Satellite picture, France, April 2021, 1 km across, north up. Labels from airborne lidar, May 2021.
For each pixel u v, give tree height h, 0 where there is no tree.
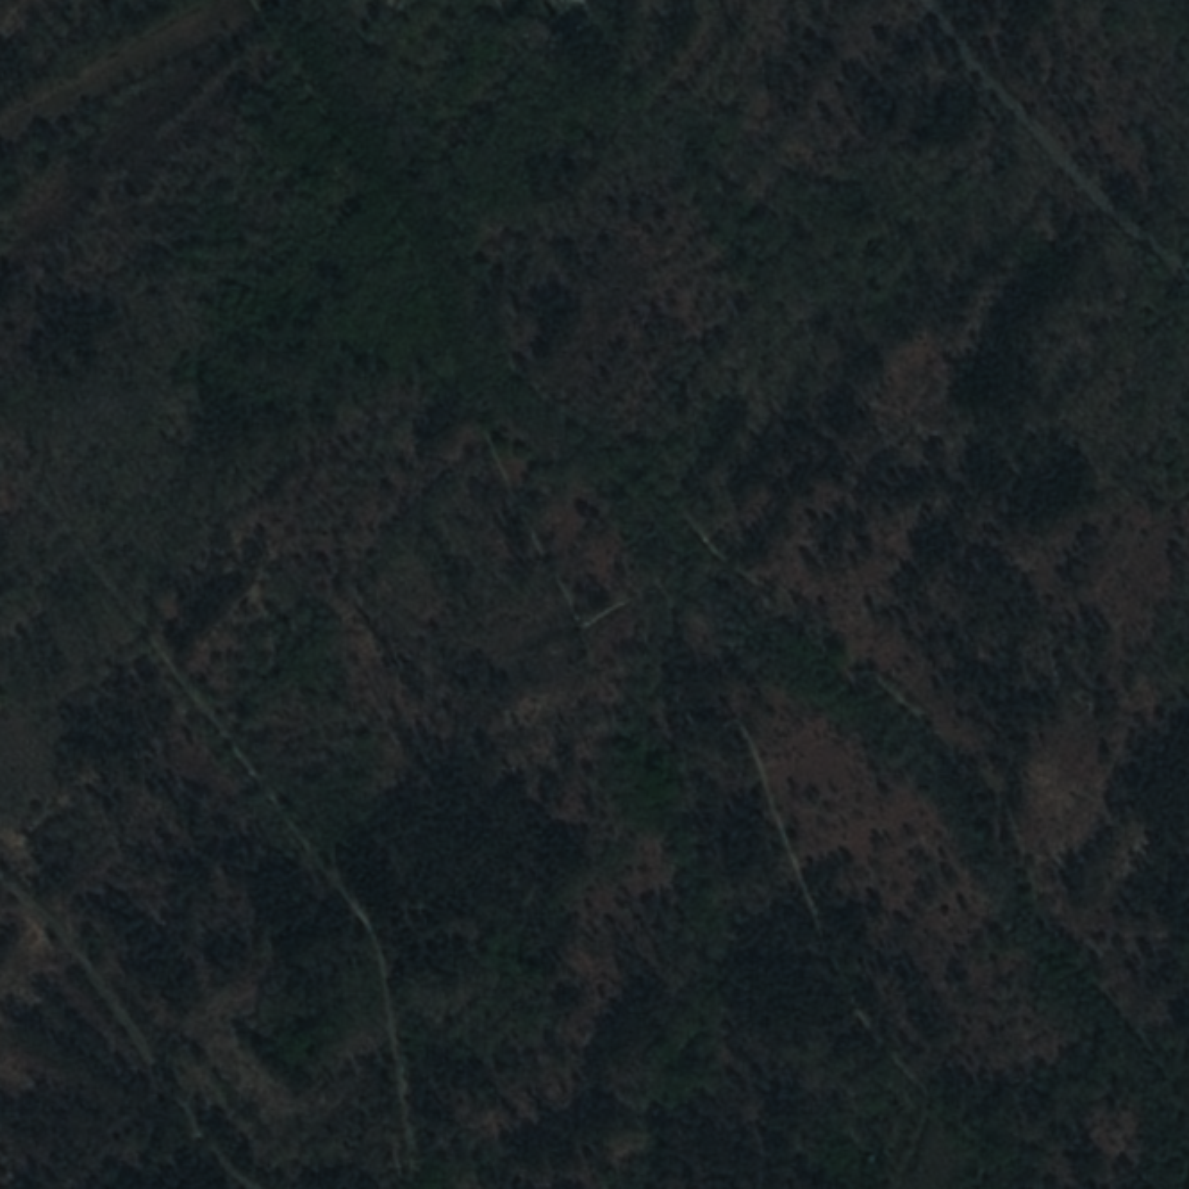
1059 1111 18
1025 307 13
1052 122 13
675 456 15
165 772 24
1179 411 16
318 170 13
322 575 10
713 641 11
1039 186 13
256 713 14
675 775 11
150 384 19
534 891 15
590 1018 6
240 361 17
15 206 19
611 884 6
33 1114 12
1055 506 19
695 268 9
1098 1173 17
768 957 13
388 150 18
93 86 0
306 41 18
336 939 13
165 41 0
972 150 11
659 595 14
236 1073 0
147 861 16
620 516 18
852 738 11
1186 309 18
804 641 24
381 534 10
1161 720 8
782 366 14
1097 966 9
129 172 17
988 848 8
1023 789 12
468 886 13
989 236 13
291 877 14
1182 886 15
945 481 15
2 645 17
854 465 14
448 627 9
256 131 16
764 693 27
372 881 17
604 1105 22
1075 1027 9
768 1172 22
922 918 10
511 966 19
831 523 10
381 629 11
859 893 8
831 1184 27
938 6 10
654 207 12
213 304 19
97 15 22
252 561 10
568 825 7
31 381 20
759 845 13
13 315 18
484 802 17
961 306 12
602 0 14
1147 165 7
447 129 18
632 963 24
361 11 7
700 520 17
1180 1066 14
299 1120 0
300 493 7
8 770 10
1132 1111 6
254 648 12
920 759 12
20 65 17
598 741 6
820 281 22
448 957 15
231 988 10
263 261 7
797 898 8
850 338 12
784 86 14
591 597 9
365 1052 8
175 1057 15
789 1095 25
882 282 12
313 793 16
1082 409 15
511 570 6
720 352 17
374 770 12
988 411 9
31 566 10
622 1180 15
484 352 16
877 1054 19
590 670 9
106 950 10
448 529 14
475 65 23
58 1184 20
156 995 9
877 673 7
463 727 13
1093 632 11
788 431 7
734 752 21
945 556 16
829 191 19
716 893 20
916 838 12
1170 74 16
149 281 9
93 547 16
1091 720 6
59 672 18
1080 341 14
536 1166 18
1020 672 9
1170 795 21
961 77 6
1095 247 13
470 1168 18
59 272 20
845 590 7
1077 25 20
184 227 7
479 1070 20
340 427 22
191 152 13
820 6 14
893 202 17
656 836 10
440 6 19
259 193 9
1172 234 16
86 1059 23
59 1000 23
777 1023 18
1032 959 19
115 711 15
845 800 6
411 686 15
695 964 17
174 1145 16
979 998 26
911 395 7
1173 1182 16
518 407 12
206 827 24
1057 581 0
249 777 17
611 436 13
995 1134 12
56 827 10
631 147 17
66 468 14
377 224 17
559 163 13
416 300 21
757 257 19
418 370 17
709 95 13
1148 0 21
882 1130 17
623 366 8
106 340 16
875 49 11
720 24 7
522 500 13
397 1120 7
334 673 19
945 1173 14
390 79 23
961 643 12
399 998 14
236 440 23
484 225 18
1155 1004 7
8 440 14
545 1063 16
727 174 10
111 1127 8
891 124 18
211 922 9
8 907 9
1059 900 8
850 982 13
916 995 24
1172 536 8
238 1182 7
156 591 16
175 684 11
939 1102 14
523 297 7
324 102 10
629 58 22
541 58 20
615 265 8
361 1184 9
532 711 0
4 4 17
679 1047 23
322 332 21
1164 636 14
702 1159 18
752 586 9
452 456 12
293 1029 9
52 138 23
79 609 13
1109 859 20
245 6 0
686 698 22
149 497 16
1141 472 13
